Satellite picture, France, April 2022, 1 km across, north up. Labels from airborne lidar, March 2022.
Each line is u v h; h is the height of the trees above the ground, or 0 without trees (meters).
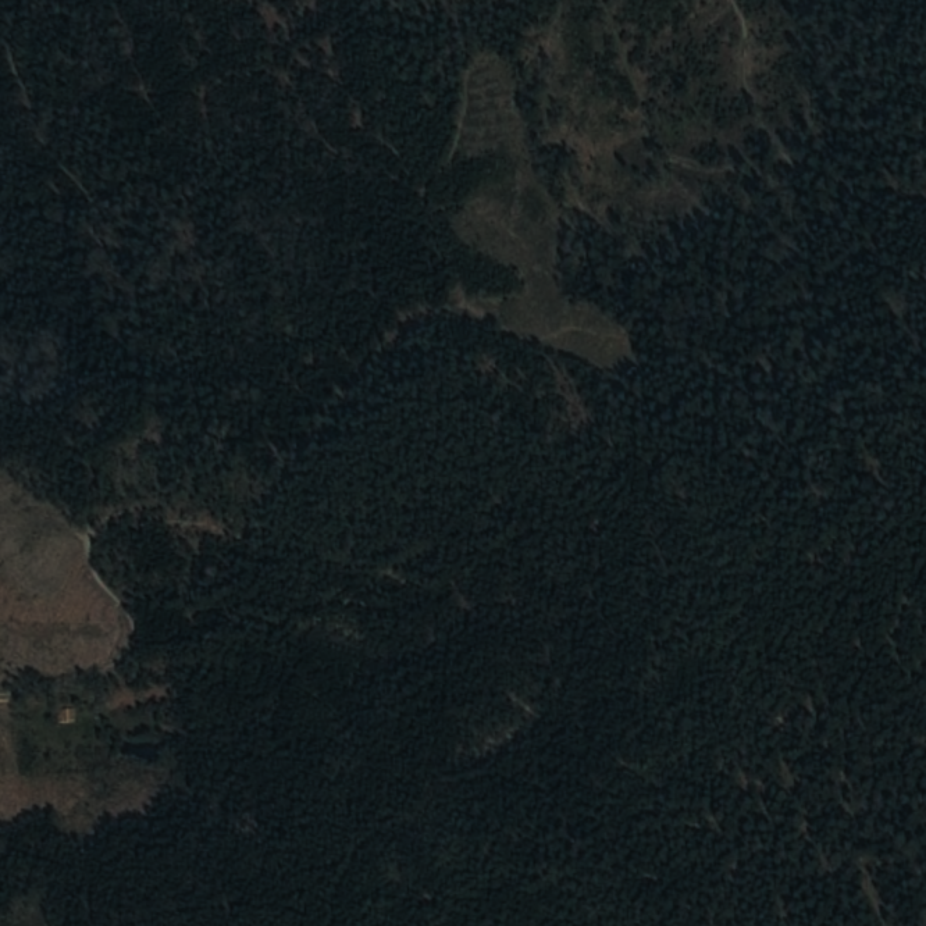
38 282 27
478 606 15
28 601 0
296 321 8
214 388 14
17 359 25
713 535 14
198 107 14
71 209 10
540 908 11
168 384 9
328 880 19
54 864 18
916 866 21
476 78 0
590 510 23
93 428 0
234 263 27
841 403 31
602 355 0
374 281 13
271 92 10
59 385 20
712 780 25
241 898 20
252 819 28
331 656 11
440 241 20
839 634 25
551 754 21
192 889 16
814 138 39
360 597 7
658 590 20
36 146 22
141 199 21
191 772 17
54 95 28
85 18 13
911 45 19
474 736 11
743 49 0
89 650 0
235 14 7
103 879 22
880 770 18
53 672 0
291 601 23
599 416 9
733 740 19
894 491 17
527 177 0
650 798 18
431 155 16
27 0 17
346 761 21
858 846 11
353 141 12
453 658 25
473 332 15
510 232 0
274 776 17
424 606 18
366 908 16
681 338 25
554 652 14
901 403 9
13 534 0
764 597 20
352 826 22
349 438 17
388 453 29
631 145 0
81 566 0
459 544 27
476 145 0
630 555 13
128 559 9
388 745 23
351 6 9
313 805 23
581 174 22
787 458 32
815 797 14
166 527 8
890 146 26
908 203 22
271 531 18
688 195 0
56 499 24
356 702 11
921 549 20
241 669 11
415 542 25
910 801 32
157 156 14
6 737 0
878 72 28
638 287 31
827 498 25
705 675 16
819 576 20
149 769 16
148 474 13
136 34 14
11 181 29
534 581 10
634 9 6
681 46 7
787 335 22
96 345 32
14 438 20
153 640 14
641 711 15
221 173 30
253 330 15
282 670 13
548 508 22
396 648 11
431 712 17
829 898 17
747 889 17
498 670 15
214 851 22
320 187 12
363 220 14
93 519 8
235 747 16
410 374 20
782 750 24
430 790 21
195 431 27
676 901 19
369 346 21
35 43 10
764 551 26
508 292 7
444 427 20
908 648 32
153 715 17
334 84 11
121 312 22
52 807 0
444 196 6
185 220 20
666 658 17
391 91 6
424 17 7
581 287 21
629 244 26
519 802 18
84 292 17
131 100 11
